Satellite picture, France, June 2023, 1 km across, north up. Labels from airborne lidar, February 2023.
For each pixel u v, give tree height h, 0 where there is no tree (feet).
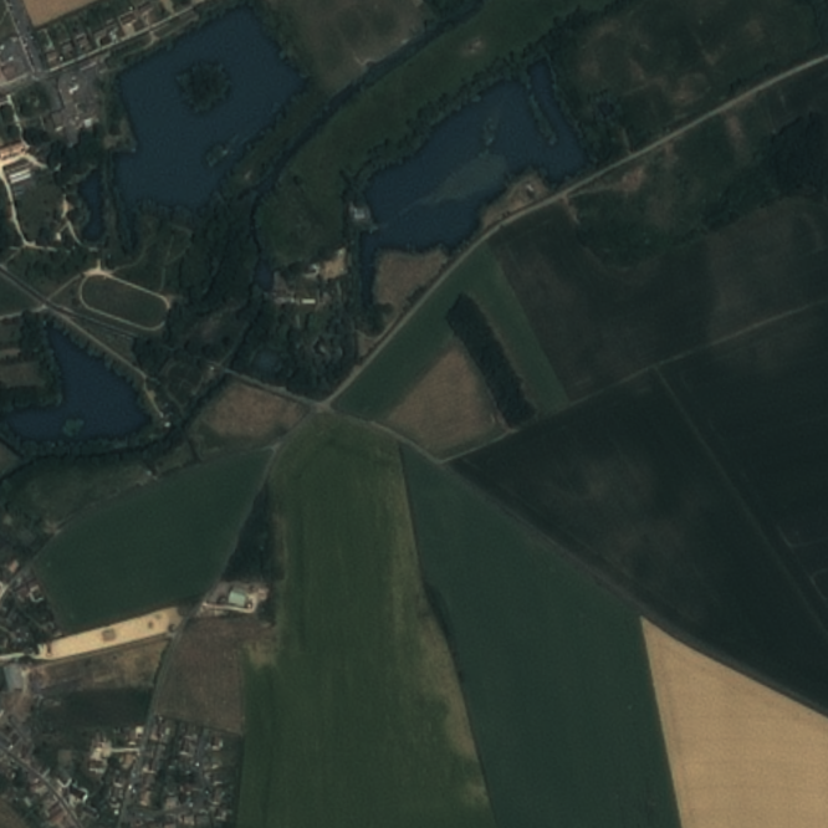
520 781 0
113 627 0
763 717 0
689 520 0
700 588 0
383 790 0
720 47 0
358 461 0
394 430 0
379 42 0
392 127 0
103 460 33
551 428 0
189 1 30
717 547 0
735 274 0
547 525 0
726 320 0
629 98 0
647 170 0
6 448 0
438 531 0
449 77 0
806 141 52
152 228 0
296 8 0
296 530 0
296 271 45
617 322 0
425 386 0
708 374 0
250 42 0
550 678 0
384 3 0
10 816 0
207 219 43
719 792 0
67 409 0
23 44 0
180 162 0
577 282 0
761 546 0
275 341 38
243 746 0
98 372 0
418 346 0
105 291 0
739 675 0
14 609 20
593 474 0
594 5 0
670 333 0
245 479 0
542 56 30
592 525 0
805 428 0
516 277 0
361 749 0
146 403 29
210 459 0
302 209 0
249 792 0
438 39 0
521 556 0
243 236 58
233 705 0
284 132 0
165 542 0
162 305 0
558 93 26
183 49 0
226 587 0
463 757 0
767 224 0
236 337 0
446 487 0
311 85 52
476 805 0
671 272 0
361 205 70
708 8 0
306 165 0
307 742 0
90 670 0
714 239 0
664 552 0
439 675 0
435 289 0
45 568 0
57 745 0
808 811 0
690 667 0
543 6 0
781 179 37
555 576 0
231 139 0
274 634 0
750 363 0
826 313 0
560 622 0
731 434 0
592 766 0
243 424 0
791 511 0
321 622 0
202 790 0
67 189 53
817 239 0
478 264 0
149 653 0
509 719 0
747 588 0
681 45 0
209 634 0
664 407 0
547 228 0
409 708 0
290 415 0
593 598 0
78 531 0
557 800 0
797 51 0
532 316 0
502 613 0
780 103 0
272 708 0
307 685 0
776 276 0
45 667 0
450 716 0
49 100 0
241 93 0
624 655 0
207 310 68
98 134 65
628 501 0
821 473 0
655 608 0
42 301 0
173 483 0
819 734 0
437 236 0
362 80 0
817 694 0
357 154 0
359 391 0
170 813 0
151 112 0
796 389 0
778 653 0
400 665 0
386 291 0
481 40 0
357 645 0
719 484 0
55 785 0
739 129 0
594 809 0
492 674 0
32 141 56
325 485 0
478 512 0
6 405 61
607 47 0
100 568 0
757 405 0
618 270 0
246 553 19
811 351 0
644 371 0
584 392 0
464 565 0
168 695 0
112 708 0
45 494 0
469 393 0
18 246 41
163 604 0
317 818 0
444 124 0
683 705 0
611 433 0
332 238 0
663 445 0
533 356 0
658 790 0
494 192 0
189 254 32
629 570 0
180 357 54
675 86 0
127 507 0
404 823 0
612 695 0
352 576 0
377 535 0
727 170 0
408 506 0
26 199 0
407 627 0
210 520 0
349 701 0
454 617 0
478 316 48
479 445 0
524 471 0
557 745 0
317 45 0
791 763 0
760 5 0
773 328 0
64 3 0
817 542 0
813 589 0
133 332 0
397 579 0
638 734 0
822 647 0
